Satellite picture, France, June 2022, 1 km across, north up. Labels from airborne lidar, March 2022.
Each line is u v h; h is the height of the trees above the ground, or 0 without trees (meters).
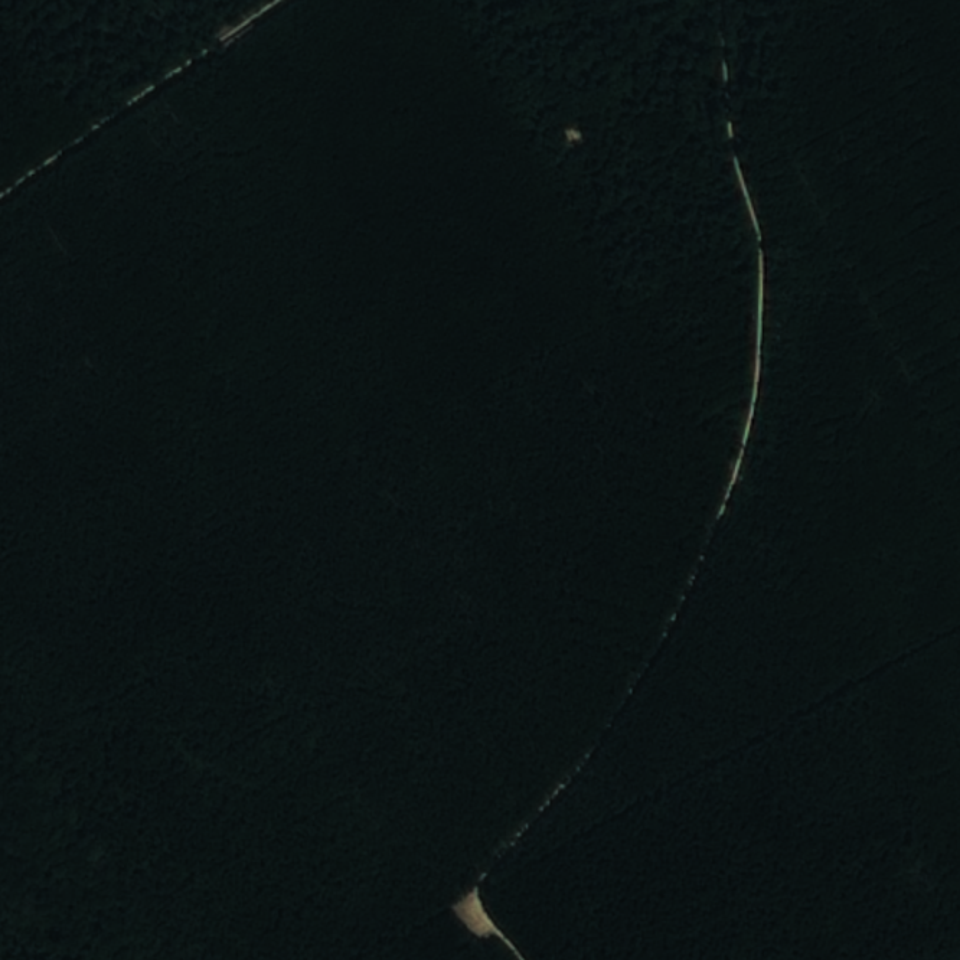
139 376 13
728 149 29
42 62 20
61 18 25
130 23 9
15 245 12
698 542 16
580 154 22
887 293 6
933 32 10
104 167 13
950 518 6
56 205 12
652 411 14
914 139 6
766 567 12
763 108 7
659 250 19
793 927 20
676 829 21
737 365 6
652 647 16
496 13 21
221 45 14
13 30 22
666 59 24
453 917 15
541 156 15
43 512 15
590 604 15
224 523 15
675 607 17
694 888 18
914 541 7
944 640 10
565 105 25
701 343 16
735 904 22
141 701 16
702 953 21
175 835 17
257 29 11
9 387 10
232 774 13
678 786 15
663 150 14
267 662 12
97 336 11
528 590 15
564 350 15
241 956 9
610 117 20
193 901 10
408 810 0
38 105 12
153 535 14
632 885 20
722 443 11
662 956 21
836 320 8
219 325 14
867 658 7
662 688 14
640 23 26
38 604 13
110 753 16
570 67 26
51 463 14
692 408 12
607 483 15
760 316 0
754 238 25
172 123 13
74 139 11
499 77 21
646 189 25
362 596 0
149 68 27
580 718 14
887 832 19
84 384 11
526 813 14
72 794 15
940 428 6
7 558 13
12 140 12
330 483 12
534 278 17
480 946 17
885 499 7
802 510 6
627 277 24
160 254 14
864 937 19
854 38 16
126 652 17
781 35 11
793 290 8
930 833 19
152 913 13
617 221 25
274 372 8
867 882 20
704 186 6
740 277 20
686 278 11
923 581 7
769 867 20
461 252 15
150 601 20
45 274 11
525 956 17
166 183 14
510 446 16
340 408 11
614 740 16
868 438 9
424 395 13
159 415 13
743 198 21
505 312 15
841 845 16
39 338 14
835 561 6
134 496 12
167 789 14
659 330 22
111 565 15
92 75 14
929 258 6
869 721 17
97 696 15
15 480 13
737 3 22
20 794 23
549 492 15
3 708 21
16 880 25
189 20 19
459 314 13
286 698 13
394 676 0
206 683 17
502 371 13
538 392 16
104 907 21
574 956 19
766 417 7
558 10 17
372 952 20
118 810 17
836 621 8
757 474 8
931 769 13
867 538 6
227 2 23
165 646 16
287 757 12
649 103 24
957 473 7
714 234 21
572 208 13
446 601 0
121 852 14
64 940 24
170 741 9
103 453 14
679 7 25
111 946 20
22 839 29
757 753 17
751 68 18
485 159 15
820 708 16
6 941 20
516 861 16
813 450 6
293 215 11
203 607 15
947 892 23
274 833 0
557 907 0
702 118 30
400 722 12
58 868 25
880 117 6
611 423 14
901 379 5
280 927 16
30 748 25
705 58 28
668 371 14
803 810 19
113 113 9
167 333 13
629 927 23
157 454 14
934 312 6
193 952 9
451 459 14
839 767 15
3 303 13
